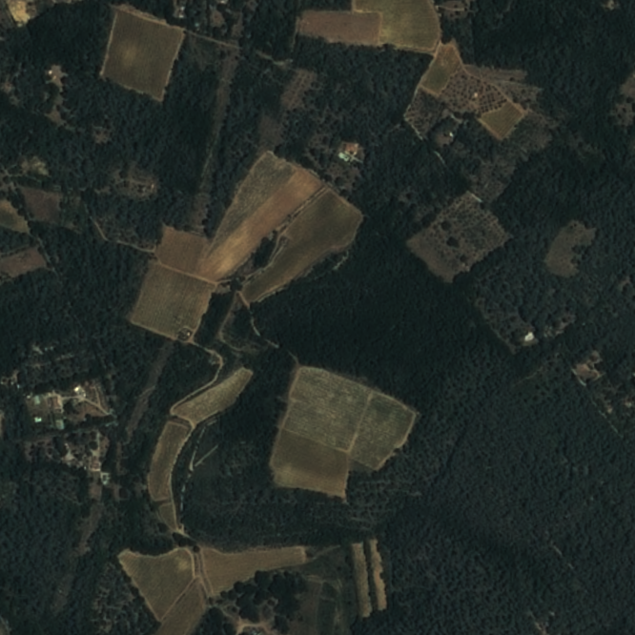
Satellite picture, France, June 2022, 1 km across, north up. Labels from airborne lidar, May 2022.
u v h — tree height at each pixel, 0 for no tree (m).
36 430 14
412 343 11
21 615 11
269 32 10
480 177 13
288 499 15
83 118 19
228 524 7
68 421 12
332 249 0
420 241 0
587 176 9
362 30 0
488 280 16
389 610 9
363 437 0
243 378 0
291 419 0
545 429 15
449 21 9
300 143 12
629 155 17
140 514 13
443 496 12
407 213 11
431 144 14
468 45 13
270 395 10
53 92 17
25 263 0
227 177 19
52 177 6
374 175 13
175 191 18
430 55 7
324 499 10
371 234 12
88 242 20
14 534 18
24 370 16
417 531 7
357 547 0
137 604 7
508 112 0
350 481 10
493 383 15
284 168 0
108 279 8
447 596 17
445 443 16
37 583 18
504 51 15
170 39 0
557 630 18
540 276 16
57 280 18
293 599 11
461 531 11
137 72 0
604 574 14
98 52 18
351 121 11
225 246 0
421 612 9
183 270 0
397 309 13
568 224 8
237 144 17
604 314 12
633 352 15
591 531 18
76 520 21
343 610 0
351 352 13
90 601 10
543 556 17
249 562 0
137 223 17
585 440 14
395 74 17
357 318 16
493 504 18
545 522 18
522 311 15
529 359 17
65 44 17
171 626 0
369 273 14
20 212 9
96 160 19
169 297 0
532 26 13
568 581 17
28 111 12
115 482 8
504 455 19
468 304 11
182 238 0
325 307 8
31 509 18
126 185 6
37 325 14
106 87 8
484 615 15
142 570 0
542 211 16
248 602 14
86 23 16
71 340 18
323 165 17
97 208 19
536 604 13
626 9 17
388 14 0
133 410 9
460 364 8
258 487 11
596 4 13
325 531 15
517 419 19
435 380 8
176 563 0
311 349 15
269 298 8
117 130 7
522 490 21
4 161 13
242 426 14
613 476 19
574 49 7
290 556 0
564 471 14
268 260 10
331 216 0
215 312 7
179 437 0
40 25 20
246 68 7
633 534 17
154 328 0
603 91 14
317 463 0
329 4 11
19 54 15
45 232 12
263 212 0
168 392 16
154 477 0
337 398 0
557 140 12
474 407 15
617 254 16
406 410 0
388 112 8
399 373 17
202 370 12
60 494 16
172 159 18
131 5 12
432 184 12
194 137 16
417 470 13
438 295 15
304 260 0
